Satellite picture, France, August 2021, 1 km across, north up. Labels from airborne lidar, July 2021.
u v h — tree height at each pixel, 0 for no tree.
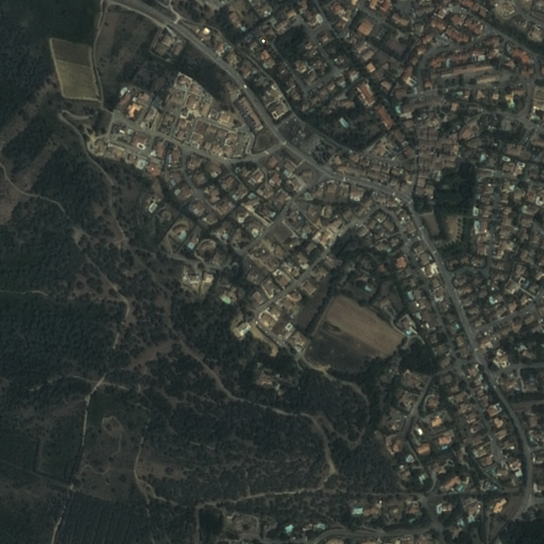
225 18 12
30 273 8
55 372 12
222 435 11
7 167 0
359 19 10
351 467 15
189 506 14
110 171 10
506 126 0
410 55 6
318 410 16
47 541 8
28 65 16
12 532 6
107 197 11
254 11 6
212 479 10
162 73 6
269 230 0
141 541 9
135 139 0
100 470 6
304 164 0
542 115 9
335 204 6
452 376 6
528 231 8
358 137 15
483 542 11
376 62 6
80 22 6
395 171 0
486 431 7
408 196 0
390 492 13
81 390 6
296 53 11
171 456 11
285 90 11
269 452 11
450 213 7
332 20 10
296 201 0
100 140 0
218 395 11
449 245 7
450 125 7
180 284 8
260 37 0
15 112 10
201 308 7
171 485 12
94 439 9
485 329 0
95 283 14
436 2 9
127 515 5
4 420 12
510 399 11
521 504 0
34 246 10
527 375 8
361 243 12
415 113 10
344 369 0
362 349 0
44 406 8
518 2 0
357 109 13
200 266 9
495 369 13
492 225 10
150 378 8
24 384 12
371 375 11
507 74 0
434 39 7
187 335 9
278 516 14
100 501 7
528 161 7
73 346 7
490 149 7
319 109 6
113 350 7
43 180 6
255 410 16
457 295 0
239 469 11
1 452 8
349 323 0
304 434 15
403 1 0
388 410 6
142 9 0
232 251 10
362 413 12
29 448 8
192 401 10
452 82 7
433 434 0
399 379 10
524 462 12
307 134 0
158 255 10
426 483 12
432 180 8
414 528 11
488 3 8
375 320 0
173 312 12
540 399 8
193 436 8
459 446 10
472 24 0
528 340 7
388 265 11
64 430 6
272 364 17
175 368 11
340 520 7
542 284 8
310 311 0
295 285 0
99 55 0
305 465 9
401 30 7
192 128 0
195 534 13
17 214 9
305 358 0
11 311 12
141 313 7
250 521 0
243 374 8
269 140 0
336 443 12
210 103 0
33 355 12
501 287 13
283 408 6
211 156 0
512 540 24
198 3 10
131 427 9
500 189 10
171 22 0
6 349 14
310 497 11
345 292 9
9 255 8
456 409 7
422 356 11
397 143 7
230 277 9
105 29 0
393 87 7
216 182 6
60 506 10
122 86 0
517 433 9
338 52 10
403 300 8
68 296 10
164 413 6
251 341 14
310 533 10
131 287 9
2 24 11
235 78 0
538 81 9
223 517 9
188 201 0
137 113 0
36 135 17
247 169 8
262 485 8
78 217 11
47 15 6
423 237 0
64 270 11
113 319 11
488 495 9
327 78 0
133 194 0
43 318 7
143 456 0
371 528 8
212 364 11
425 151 0
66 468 7
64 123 0
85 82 0
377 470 13
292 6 6
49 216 11
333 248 10
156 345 7
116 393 12
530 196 0
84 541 8
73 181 17
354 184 0
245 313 7
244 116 0
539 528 18
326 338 0
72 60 0
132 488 7
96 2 0
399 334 0
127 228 9
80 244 10
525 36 6
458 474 12
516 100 8
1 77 12
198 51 0
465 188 15
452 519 11
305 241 6
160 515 11
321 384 14
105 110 0
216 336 8
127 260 9
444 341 8
